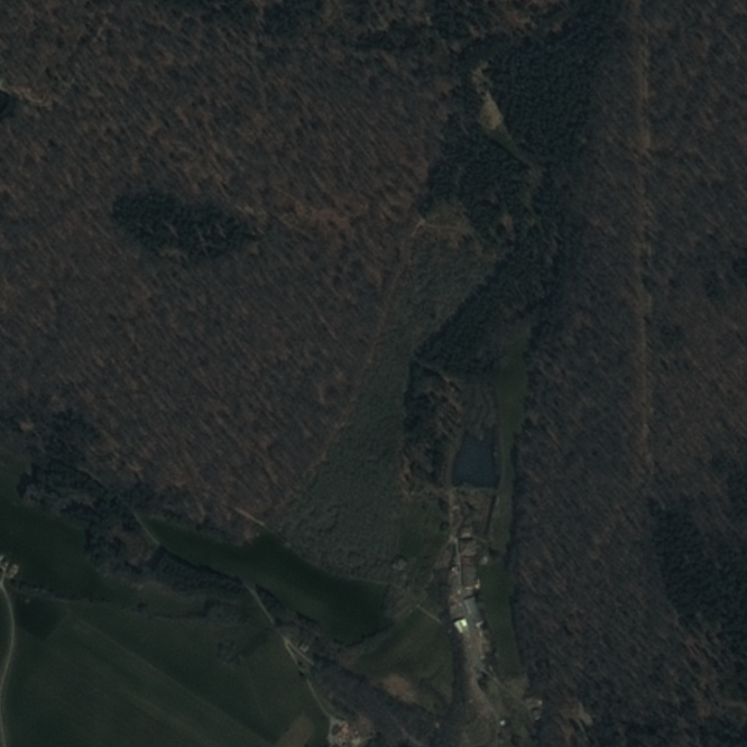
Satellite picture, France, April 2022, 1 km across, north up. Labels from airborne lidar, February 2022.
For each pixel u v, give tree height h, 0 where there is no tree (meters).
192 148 33
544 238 29
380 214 29
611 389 31
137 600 0
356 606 0
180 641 0
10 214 29
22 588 12
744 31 28
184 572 29
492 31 27
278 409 32
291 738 0
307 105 32
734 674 29
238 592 28
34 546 0
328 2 35
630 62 28
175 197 20
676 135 30
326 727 0
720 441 25
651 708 31
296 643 0
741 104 29
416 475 34
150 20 31
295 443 31
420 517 0
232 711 0
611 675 30
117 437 27
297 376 29
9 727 0
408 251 7
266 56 9
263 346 28
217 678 0
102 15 9
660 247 30
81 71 28
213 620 18
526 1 12
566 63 29
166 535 0
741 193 32
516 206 32
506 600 0
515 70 32
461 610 0
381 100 28
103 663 0
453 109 30
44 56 28
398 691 0
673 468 26
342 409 28
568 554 27
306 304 31
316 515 10
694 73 29
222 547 0
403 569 20
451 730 19
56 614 0
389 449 14
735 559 31
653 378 0
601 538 30
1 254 29
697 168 30
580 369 30
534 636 29
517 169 29
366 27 26
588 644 29
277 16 18
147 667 0
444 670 0
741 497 22
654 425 0
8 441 34
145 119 30
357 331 26
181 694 0
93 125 30
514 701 0
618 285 30
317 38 11
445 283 9
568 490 28
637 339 31
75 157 27
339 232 21
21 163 28
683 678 29
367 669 0
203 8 23
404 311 7
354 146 31
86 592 0
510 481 0
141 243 23
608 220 28
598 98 33
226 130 30
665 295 32
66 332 26
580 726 0
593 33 32
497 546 0
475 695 0
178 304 29
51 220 32
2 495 0
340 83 28
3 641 0
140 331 28
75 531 0
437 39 17
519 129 33
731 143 30
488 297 30
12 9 31
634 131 28
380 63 13
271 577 0
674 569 33
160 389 31
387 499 14
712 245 31
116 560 26
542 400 31
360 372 22
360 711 29
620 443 31
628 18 31
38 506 32
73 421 13
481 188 34
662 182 31
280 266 29
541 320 22
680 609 34
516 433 0
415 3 26
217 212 26
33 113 24
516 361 0
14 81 25
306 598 0
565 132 28
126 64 31
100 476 27
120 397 32
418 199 28
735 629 29
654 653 26
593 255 31
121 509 25
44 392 32
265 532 0
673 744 27
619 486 34
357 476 9
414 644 0
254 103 31
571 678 31
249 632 0
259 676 0
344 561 12
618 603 31
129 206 28
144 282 29
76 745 0
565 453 19
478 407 0
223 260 26
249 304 28
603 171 29
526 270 30
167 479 29
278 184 28
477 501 20
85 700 0
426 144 33
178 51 29
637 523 28
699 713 29
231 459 33
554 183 28
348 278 31
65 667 0
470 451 0
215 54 30
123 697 0
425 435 43
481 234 28
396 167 30
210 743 0
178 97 28
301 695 0
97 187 31
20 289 28
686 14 31
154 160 29
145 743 0
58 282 25
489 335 31
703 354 25
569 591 28
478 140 33
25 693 0
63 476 19
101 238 28
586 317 30
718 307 28
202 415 32
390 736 30
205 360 31
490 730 0
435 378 34
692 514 30
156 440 33
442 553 0
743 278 31
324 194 32
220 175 26
